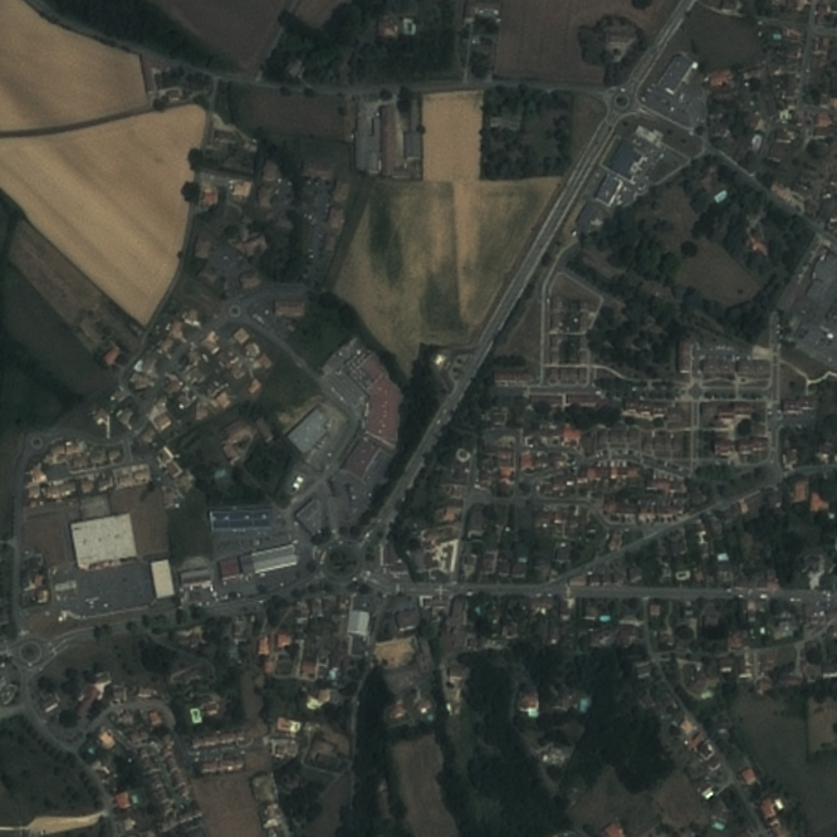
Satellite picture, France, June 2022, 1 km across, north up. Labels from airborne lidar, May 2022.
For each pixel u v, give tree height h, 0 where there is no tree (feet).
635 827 0
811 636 0
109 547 0
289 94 35
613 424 40
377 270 0
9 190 0
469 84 0
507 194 0
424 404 36
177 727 33
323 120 0
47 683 36
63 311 0
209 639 23
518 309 44
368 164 0
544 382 0
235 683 33
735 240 38
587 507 0
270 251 33
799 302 0
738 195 33
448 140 0
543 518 0
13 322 0
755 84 43
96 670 40
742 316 32
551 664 60
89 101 0
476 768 54
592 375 0
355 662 18
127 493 0
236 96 23
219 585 0
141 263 0
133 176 0
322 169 0
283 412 0
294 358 0
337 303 53
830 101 0
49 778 0
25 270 0
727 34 0
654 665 23
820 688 27
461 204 0
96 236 0
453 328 0
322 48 87
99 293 0
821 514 31
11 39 0
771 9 28
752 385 0
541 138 0
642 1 61
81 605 0
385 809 0
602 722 49
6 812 0
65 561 0
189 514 0
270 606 22
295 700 29
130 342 0
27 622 0
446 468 38
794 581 56
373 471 0
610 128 0
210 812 0
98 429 0
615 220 28
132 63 0
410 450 37
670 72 0
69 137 0
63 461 0
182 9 0
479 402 25
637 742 24
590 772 22
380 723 61
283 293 0
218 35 0
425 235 0
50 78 0
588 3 0
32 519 0
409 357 0
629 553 24
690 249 41
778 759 0
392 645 0
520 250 0
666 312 60
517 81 0
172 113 0
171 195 0
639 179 0
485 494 0
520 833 42
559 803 57
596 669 52
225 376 0
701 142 0
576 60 0
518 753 40
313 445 0
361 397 0
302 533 0
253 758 0
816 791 0
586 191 0
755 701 0
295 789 21
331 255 0
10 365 20
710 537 20
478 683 45
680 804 0
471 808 21
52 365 0
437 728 38
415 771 0
